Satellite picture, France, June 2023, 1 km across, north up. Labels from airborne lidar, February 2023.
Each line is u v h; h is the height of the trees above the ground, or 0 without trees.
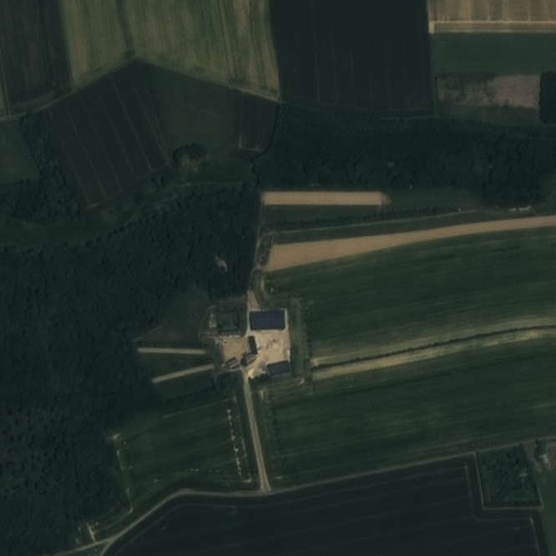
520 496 0
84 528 0
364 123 17
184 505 0
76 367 18
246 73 0
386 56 0
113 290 23
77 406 18
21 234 0
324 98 0
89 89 0
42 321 24
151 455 0
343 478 0
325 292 0
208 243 23
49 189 21
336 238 0
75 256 18
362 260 0
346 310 0
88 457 22
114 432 0
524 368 0
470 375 0
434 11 0
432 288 0
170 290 21
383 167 19
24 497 23
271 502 0
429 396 0
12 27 0
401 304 0
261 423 0
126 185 0
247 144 0
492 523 0
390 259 0
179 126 0
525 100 0
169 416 0
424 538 0
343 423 0
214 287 22
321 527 0
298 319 0
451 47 0
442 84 0
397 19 0
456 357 0
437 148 17
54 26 0
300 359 0
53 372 22
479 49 0
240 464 0
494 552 0
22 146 0
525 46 0
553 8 0
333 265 0
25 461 0
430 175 25
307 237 0
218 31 0
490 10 0
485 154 22
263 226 0
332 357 0
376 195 0
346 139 14
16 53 0
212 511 0
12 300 19
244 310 7
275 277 0
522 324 0
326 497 0
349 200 0
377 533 0
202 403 0
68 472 15
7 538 16
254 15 0
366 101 0
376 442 0
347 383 0
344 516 0
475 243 0
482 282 0
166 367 0
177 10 0
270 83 0
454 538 0
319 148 16
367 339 0
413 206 0
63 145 0
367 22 0
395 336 0
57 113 0
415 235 0
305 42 0
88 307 22
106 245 29
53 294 23
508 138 13
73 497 22
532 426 0
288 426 0
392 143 15
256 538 0
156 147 0
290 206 0
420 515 0
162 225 24
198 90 0
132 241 26
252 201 21
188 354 0
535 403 0
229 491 0
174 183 0
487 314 0
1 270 27
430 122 8
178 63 0
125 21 0
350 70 0
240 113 0
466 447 0
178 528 0
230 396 0
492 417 0
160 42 0
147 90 0
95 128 0
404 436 0
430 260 0
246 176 0
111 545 0
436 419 0
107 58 0
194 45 0
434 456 0
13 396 22
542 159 23
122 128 0
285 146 13
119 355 22
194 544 0
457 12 0
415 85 0
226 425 0
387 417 0
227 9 0
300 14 0
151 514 0
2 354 24
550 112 16
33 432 21
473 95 0
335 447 0
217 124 0
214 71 0
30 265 23
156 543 0
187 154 19
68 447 24
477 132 18
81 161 0
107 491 17
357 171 18
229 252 20
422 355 0
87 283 25
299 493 0
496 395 0
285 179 25
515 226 0
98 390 19
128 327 23
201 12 0
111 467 14
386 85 0
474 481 0
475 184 19
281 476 0
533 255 0
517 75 0
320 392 0
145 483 0
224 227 19
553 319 0
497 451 0
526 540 0
